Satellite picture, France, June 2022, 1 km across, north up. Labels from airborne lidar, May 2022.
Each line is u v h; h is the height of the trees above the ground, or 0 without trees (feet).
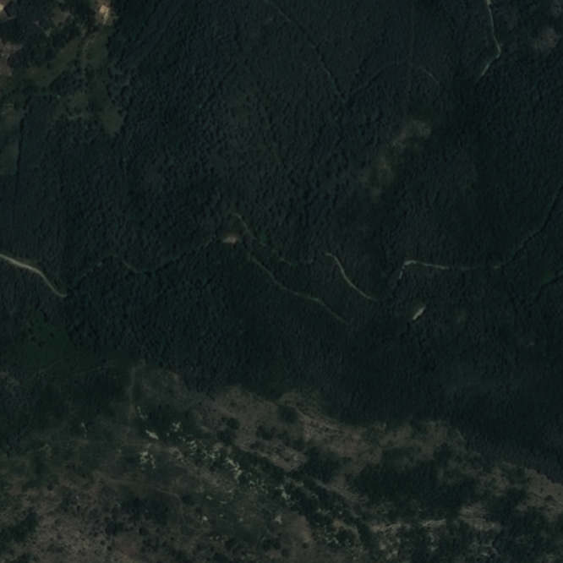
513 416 47
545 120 47
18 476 0
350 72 76
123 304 72
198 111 24
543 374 42
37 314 52
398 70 62
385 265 42
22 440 38
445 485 21
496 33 27
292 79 77
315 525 21
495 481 25
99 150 60
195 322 84
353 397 37
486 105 19
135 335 58
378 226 32
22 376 34
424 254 37
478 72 43
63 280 45
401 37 61
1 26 21
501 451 51
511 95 54
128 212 62
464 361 23
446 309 62
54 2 35
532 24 41
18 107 35
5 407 52
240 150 28
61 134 34
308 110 74
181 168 30
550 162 43
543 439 40
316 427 0
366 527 28
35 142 55
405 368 42
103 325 69
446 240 46
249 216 22
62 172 51
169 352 80
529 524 29
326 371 33
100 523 29
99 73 19
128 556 0
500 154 37
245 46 65
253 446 31
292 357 50
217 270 51
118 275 47
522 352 38
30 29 50
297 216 52
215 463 27
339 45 73
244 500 0
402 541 22
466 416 42
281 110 39
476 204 46
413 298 48
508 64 23
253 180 55
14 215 58
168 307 75
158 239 52
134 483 0
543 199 42
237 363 37
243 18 53
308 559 0
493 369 22
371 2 82
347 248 23
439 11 57
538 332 64
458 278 28
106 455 0
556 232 56
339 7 58
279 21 52
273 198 68
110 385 37
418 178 50
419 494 32
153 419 34
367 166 42
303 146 78
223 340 89
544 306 36
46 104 45
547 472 46
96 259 21
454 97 33
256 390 19
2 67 0
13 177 58
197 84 60
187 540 0
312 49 80
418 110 46
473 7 74
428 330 25
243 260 50
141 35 50
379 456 0
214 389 35
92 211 36
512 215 43
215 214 57
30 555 25
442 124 31
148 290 96
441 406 24
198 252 39
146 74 49
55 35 35
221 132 46
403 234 51
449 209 48
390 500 24
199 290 57
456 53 68
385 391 45
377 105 85
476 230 49
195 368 71
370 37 78
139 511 21
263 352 43
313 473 26
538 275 51
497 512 32
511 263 43
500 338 66
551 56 34
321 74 64
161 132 48
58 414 27
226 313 75
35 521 32
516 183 45
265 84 68
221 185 41
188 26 25
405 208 45
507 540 33
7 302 51
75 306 60
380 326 62
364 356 71
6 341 28
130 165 42
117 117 0
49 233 71
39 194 64
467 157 38
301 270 54
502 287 20
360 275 57
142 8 35
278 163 37
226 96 54
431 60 46
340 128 71
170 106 25
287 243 75
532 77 61
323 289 42
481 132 52
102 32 0
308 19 66
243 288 52
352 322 53
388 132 66
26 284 65
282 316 49
